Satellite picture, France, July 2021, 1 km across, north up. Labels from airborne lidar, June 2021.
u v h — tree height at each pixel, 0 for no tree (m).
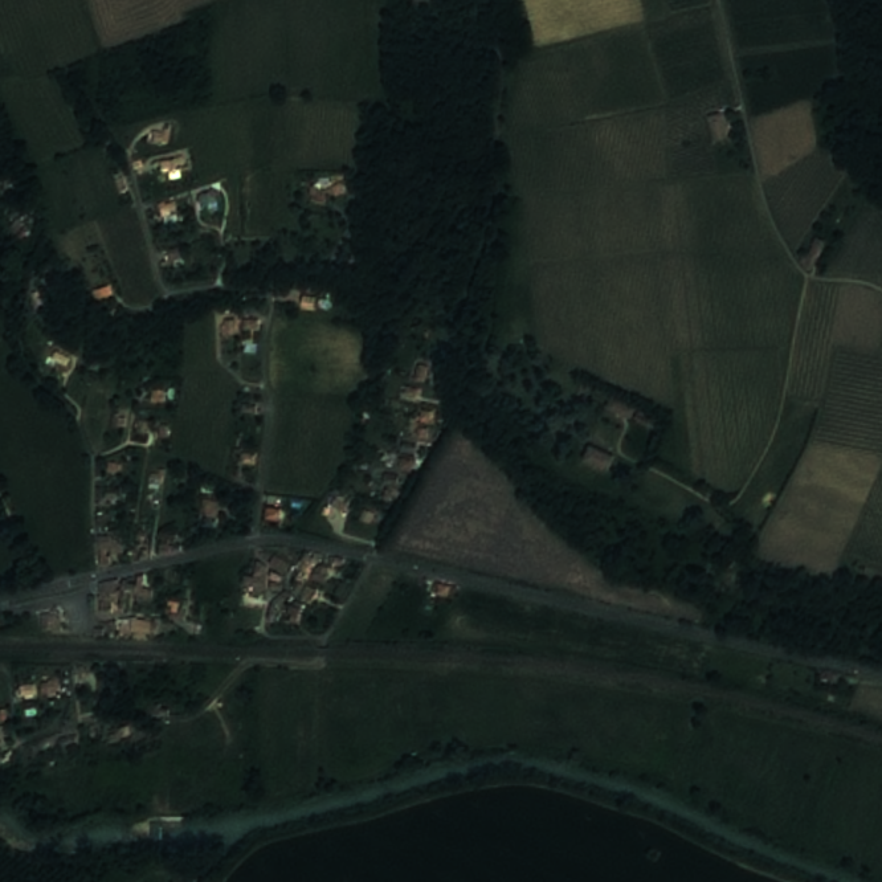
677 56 0
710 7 0
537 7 0
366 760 0
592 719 0
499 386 9
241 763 0
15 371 21
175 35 10
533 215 0
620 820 0
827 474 0
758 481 0
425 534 0
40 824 28
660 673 0
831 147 10
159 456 0
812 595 17
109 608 0
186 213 9
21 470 0
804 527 0
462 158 15
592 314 0
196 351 0
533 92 0
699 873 0
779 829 0
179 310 27
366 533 0
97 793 0
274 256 16
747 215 0
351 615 0
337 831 0
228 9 0
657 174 0
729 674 0
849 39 22
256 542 0
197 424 0
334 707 0
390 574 0
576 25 0
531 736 0
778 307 0
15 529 24
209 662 0
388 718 0
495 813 0
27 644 0
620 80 0
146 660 0
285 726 0
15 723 12
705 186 0
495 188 10
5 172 22
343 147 0
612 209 0
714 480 0
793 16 0
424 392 0
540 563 0
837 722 0
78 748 14
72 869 12
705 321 0
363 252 22
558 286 0
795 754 0
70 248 0
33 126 0
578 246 0
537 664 0
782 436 0
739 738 0
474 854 0
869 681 0
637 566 21
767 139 0
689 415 0
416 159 23
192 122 0
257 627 0
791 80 0
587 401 21
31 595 0
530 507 6
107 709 14
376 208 23
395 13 9
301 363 0
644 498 0
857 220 0
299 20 0
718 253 0
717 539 17
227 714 0
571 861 0
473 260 19
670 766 0
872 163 22
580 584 0
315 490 0
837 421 0
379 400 15
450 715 0
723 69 0
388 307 24
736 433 0
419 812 0
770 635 16
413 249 12
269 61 0
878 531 0
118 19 0
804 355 0
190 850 29
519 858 0
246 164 0
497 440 25
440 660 0
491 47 8
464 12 14
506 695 0
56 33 0
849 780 0
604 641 0
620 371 0
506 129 0
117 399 9
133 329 16
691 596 13
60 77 14
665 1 0
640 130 0
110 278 6
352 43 0
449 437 11
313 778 0
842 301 0
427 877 0
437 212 21
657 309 0
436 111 21
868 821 0
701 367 0
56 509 0
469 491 0
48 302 18
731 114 12
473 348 16
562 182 0
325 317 0
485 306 8
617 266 0
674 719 0
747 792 0
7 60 0
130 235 0
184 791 0
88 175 0
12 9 0
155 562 0
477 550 0
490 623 0
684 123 0
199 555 0
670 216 0
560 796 0
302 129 0
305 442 0
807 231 0
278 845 0
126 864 9
